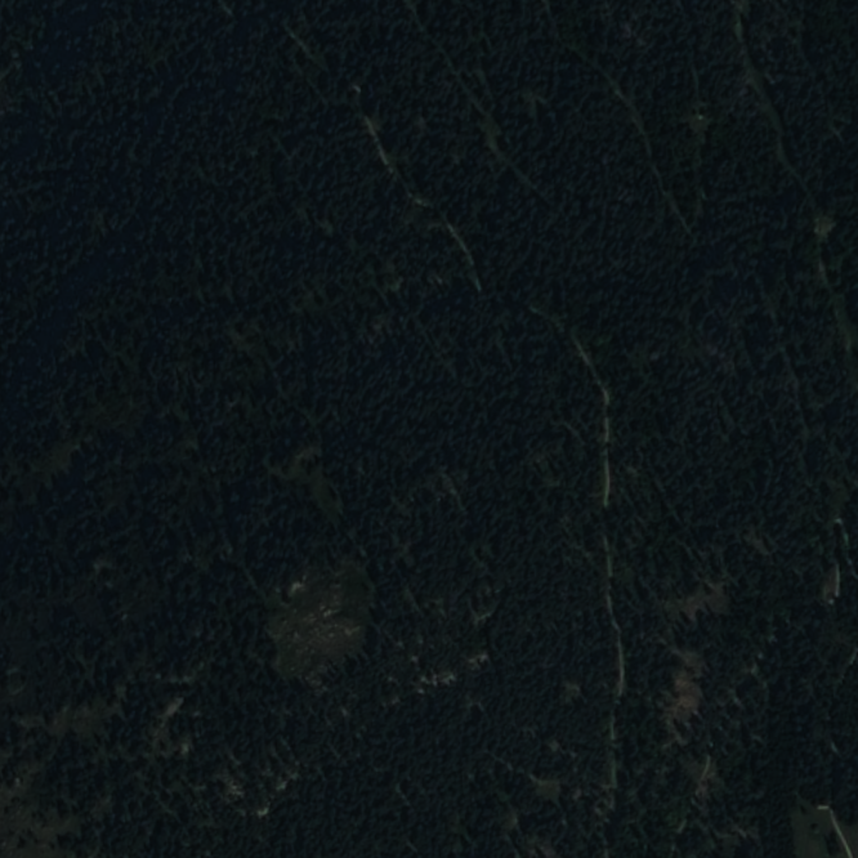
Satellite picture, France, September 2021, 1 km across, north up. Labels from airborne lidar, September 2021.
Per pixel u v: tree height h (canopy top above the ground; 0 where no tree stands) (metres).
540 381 17
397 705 9
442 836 27
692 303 26
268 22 11
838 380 31
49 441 8
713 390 30
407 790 27
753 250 8
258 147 28
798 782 32
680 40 24
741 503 11
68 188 27
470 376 29
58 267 9
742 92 28
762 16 31
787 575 24
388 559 27
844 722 16
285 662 0
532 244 23
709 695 25
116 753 12
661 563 16
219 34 26
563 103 24
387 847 27
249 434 12
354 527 21
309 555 27
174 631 18
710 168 13
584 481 30
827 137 26
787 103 26
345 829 24
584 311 15
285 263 22
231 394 12
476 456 30
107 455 5
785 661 33
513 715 28
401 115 20
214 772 23
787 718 17
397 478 9
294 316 6
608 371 11
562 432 10
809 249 18
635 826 8
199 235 9
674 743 30
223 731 8
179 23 28
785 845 16
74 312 20
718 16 24
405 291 12
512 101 28
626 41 23
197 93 16
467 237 6
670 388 24
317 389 21
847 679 7
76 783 17
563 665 20
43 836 0
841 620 11
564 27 16
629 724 12
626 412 31
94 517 22
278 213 5
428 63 20
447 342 22
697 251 17
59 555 6
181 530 6
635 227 30
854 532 27
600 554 21
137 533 9
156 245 6
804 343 27
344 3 7
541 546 32
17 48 0
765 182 23
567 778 28
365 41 16
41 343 15
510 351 11
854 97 21
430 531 20
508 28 26
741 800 20
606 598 8
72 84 29
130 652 6
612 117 21
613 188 25
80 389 25
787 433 12
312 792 26
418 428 7
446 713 26
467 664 23
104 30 22
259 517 25
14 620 8
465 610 19
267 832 27
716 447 28
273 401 28
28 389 22
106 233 0
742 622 21
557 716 26
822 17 13
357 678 22
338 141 24
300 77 9
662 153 20
